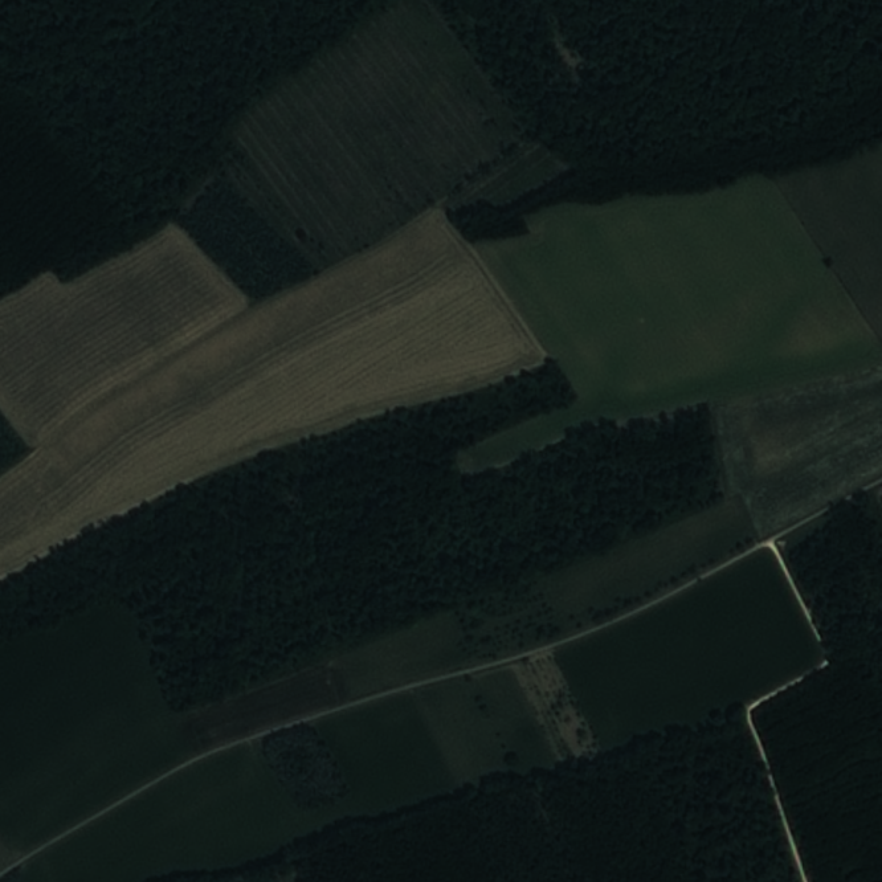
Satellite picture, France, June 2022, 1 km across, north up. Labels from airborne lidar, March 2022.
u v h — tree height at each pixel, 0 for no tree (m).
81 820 0
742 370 0
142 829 0
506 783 15
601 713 0
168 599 18
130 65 21
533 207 12
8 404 0
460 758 0
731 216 0
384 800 0
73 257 15
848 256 0
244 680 17
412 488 16
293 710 0
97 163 18
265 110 0
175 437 0
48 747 0
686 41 19
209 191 10
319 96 0
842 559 16
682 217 0
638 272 0
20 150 14
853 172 0
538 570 16
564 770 17
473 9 19
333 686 0
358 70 0
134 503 0
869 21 20
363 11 18
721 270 0
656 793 20
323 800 14
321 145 0
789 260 0
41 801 0
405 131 0
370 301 0
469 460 0
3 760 0
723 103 18
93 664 0
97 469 0
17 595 16
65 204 12
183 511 19
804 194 0
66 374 0
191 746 0
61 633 0
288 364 0
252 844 0
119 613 0
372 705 0
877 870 8
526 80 17
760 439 0
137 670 0
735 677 0
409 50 0
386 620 16
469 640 6
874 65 21
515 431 0
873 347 0
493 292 0
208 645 6
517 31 22
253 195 0
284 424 0
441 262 0
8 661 0
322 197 0
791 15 22
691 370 0
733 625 0
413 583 14
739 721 19
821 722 8
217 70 19
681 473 17
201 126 19
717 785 24
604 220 0
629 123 15
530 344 0
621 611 7
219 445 0
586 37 16
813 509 0
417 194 0
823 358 0
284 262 8
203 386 0
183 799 0
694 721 0
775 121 18
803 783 6
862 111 17
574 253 0
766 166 15
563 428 0
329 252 0
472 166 0
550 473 19
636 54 25
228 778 0
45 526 0
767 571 0
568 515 9
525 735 0
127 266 0
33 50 19
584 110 28
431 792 0
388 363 0
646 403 0
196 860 0
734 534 0
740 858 18
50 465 0
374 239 0
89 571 22
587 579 0
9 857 0
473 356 0
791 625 0
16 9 19
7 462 6
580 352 0
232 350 0
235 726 0
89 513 0
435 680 0
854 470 0
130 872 0
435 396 0
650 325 0
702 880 21
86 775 0
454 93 0
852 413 0
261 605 15
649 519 21
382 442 16
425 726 0
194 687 16
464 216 15
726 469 0
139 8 21
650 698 0
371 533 21
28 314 0
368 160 0
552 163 0
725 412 0
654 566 0
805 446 0
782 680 0
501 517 6
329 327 0
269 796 0
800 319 0
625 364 0
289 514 22
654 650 0
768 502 0
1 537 0
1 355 0
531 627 6
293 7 20
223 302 0
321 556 16
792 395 0
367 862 17
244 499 19
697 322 0
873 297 0
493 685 0
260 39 20
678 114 18
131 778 0
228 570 22
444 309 0
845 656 14
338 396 0
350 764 0
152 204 18
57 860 0
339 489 19
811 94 20
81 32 22
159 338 0
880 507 0
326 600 19
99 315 0
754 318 0
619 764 20
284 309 0
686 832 23
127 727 0
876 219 0
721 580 0
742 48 24
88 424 0
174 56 21
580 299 0
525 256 0
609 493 19
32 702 0
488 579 17
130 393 0
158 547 20
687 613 0
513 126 0
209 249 9
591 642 0
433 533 17
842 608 16
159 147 25
